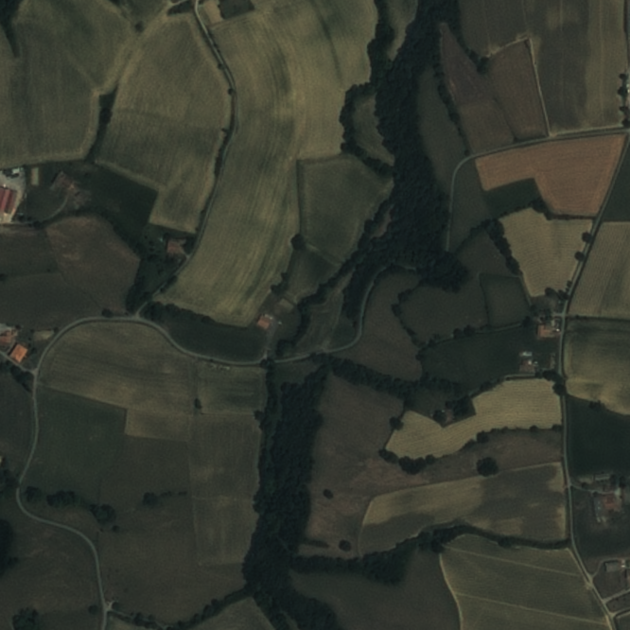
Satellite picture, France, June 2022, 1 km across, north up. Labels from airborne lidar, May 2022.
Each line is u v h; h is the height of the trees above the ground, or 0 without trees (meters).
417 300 0
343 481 0
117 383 0
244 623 0
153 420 0
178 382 0
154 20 0
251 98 0
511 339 0
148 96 0
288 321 0
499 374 0
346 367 22
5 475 14
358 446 0
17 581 0
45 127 0
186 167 0
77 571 0
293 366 0
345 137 11
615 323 0
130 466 0
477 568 0
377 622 0
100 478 0
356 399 0
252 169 0
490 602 0
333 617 16
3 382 0
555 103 0
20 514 0
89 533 0
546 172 0
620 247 0
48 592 0
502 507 0
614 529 0
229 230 0
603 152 0
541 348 0
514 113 0
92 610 8
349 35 0
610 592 0
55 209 0
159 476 0
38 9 0
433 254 24
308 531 0
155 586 0
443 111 0
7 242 0
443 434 0
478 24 0
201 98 0
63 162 0
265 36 0
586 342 0
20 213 0
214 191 0
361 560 8
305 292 0
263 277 0
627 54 0
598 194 0
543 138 0
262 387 0
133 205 0
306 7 0
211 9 0
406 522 0
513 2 0
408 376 0
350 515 0
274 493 25
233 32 0
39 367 0
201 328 0
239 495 0
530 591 0
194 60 0
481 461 7
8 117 0
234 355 0
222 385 0
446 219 12
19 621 20
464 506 0
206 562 0
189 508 0
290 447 16
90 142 0
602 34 0
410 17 0
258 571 17
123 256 0
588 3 0
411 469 23
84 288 0
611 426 0
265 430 16
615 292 0
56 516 0
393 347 0
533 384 0
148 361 0
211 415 0
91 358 0
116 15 0
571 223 0
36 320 0
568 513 0
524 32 0
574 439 0
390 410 0
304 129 0
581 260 9
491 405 0
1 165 0
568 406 0
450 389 18
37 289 0
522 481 0
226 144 7
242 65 0
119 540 0
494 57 0
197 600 0
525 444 0
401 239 24
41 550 0
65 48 0
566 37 0
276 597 15
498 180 0
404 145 18
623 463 0
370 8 0
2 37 0
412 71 15
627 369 0
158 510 0
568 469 0
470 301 0
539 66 0
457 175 0
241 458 0
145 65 0
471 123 0
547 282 0
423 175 17
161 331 0
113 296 0
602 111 0
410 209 22
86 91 0
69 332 0
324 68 0
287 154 0
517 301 0
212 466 0
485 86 0
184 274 0
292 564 24
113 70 0
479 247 0
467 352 0
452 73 0
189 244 7
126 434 0
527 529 0
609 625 0
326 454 0
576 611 0
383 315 0
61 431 0
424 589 0
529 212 0
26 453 0
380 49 15
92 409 0
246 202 0
